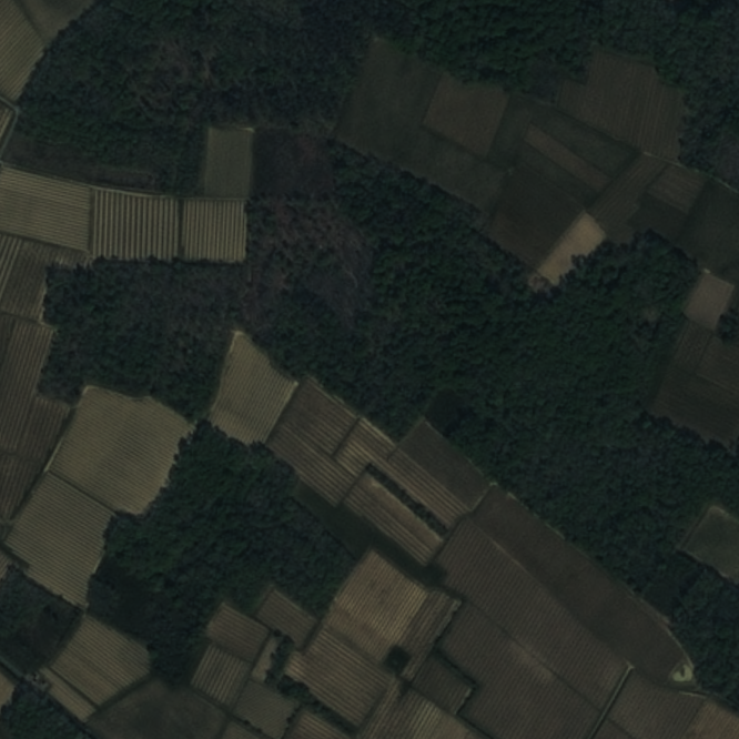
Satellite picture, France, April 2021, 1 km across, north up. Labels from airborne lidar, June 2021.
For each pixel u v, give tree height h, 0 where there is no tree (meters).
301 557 20
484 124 0
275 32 23
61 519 0
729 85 17
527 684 0
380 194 20
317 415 0
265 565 21
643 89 0
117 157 17
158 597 8
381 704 0
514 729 0
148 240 0
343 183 19
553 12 21
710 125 18
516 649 0
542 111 0
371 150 0
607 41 14
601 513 21
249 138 0
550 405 20
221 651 0
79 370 9
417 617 0
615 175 0
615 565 18
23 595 15
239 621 0
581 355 26
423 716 0
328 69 25
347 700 0
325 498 0
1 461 0
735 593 21
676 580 11
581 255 0
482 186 0
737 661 26
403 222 25
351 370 20
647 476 24
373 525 0
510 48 22
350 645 0
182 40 20
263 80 20
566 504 20
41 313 0
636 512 20
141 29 20
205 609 13
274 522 24
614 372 20
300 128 22
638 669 0
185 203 0
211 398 18
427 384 23
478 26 19
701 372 0
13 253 0
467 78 18
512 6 17
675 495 23
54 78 15
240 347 0
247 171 0
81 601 0
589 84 0
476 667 0
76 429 0
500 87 18
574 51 21
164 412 0
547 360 22
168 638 13
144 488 0
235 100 14
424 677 0
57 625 15
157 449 0
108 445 0
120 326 10
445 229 21
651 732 0
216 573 21
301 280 9
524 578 0
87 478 0
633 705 0
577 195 0
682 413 0
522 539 0
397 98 0
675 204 0
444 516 0
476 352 26
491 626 0
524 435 25
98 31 19
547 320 25
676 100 0
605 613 0
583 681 0
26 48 0
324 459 0
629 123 0
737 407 0
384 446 0
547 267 0
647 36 22
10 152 0
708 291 0
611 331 26
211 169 0
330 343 18
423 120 0
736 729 0
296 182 0
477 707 0
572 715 0
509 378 21
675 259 19
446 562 0
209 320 12
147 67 14
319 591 20
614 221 0
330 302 16
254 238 12
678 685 0
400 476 0
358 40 23
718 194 0
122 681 0
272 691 0
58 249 0
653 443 21
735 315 13
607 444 18
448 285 20
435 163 0
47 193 0
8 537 0
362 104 0
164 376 17
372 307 16
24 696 19
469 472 0
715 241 0
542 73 13
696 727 0
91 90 14
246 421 0
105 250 0
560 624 0
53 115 19
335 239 11
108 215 0
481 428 19
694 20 25
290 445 0
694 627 22
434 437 0
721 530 0
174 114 13
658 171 0
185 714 0
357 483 0
